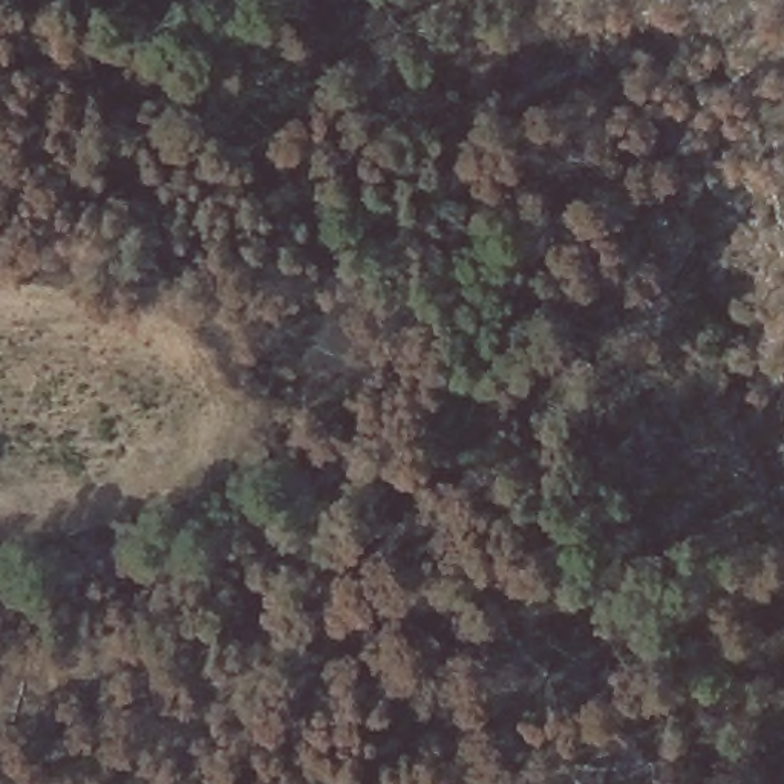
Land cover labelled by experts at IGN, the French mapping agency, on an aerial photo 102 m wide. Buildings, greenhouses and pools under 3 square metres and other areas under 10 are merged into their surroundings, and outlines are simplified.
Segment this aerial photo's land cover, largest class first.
<instances>
[{"label":"coniferous trees","instance_id":"1","mask_svg":"<svg viewBox=\"0 0 784 784\"><path fill-rule=\"evenodd\" d=\"M0 285L64 288L70 300L80 297L86 306L126 309L132 315L147 312L162 291H175L184 300L202 303V322L193 334L196 343L214 352L217 371L224 374L230 389L260 401L257 423L251 429L254 441L242 450V459H217L208 469L193 472L187 484L168 496L147 493L138 499L126 496L116 484H83L77 499L58 502L46 521L34 515L0 518V784H784V0H0Z\"/></svg>","mask_w":784,"mask_h":784},{"label":"herbaceous vegetation","instance_id":"2","mask_svg":"<svg viewBox=\"0 0 784 784\"><path fill-rule=\"evenodd\" d=\"M202 322V303L184 300L175 291H162L147 312L132 315L126 309L86 306L80 297L70 300L64 288L0 285V518L34 515L46 521L58 502L77 499L83 484H116L126 496L138 499L147 493L168 496L187 484L193 472L208 469L217 459H242V450L254 441L251 429L257 423L260 401L230 389L224 374L217 371L214 352L196 343L193 334Z\"/></svg>","mask_w":784,"mask_h":784}]
</instances>
